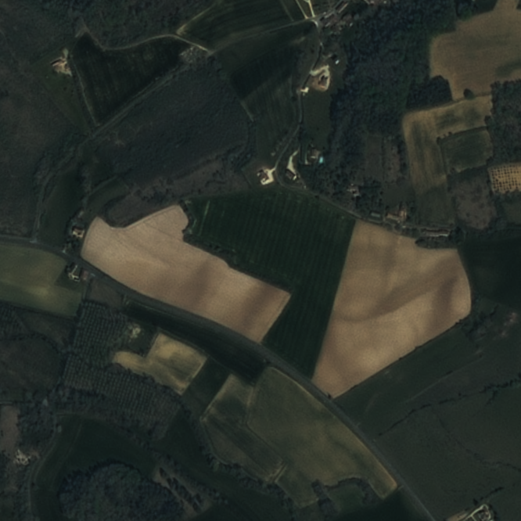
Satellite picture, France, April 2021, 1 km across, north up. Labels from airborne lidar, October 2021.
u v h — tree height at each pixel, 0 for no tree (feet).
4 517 0
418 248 24
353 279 0
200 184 0
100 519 68
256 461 0
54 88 0
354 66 60
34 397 30
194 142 20
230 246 0
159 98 20
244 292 0
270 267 0
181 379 0
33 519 70
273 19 0
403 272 0
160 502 86
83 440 0
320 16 0
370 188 21
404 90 79
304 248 0
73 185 0
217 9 0
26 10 23
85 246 0
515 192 24
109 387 77
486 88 0
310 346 0
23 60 0
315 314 0
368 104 76
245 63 0
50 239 0
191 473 0
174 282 0
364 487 58
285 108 0
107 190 0
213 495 46
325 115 0
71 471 0
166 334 0
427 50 73
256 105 0
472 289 0
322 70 0
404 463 0
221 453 0
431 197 0
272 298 0
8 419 0
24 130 0
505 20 0
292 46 0
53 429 25
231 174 0
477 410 0
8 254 0
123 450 0
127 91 0
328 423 0
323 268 0
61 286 0
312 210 0
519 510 0
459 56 0
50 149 20
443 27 82
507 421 0
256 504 0
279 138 0
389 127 88
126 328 91
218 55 0
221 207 0
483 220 0
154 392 60
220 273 0
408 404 0
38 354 42
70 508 57
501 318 0
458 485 0
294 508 56
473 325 0
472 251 0
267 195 0
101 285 0
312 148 22
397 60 67
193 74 19
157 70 0
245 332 0
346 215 0
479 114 0
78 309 0
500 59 0
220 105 30
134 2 49
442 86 37
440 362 0
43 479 0
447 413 0
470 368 0
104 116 0
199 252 0
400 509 0
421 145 0
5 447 0
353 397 0
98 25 74
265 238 0
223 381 0
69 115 0
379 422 0
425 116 0
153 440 50
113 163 21
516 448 0
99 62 0
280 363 0
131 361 0
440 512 0
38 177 52
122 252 0
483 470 0
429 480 0
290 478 0
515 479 0
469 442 0
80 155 84
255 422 0
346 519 0
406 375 0
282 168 25
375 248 0
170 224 0
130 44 21
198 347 0
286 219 0
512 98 66
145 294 0
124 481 71
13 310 31
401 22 39
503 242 0
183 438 0
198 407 0
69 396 90
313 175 22
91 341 90
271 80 0
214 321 0
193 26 0
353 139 76
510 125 76
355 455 0
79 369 88
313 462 0
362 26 25
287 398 0
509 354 0
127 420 67
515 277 0
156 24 37
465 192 0
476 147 0
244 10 0
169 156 26
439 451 0
